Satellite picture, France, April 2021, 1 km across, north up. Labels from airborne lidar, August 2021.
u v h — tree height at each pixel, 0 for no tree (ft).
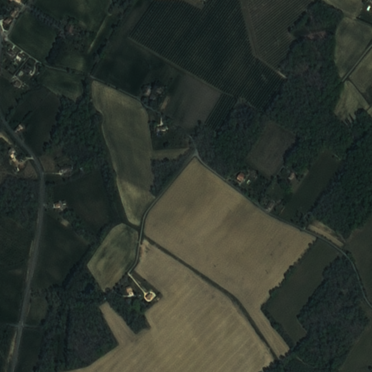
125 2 58
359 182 64
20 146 0
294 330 0
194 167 0
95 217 0
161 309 0
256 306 0
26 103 0
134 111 0
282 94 57
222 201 0
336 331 65
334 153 71
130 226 0
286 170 20
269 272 0
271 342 0
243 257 0
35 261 0
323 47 59
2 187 43
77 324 80
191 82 0
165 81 0
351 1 0
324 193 44
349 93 0
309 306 41
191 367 0
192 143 40
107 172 55
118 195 0
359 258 0
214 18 18
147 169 0
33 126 0
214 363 0
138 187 0
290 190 60
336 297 66
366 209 69
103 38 0
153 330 0
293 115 67
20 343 0
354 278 45
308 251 28
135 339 0
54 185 50
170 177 55
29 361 0
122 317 73
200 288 0
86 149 70
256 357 0
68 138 66
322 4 60
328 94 48
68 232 0
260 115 66
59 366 96
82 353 60
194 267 0
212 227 0
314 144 81
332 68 69
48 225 0
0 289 0
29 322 0
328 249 0
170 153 0
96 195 0
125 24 0
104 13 0
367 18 0
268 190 49
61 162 0
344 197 67
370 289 0
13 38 0
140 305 75
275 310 0
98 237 37
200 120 0
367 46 0
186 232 0
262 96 19
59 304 76
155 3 18
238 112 39
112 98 0
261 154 0
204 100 0
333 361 36
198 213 0
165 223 0
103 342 56
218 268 0
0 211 40
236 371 0
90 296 81
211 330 0
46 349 51
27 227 61
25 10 0
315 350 67
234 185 22
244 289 0
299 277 0
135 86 0
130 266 0
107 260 0
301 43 66
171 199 0
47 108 0
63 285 0
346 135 90
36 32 0
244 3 0
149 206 0
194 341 0
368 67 0
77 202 0
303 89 57
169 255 0
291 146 0
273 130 0
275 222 0
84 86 20
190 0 0
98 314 61
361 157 95
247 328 0
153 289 0
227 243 0
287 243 0
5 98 0
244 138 73
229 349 0
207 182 0
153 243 0
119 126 0
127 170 0
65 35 33
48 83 0
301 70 62
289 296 0
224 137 69
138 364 0
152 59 0
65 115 75
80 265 45
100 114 31
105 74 0
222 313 0
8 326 23
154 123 34
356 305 36
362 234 0
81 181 0
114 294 54
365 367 0
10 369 0
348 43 0
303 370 31
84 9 0
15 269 0
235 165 56
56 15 0
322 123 79
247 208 0
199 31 20
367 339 0
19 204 58
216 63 18
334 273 50
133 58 0
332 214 63
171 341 0
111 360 0
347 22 0
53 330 65
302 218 24
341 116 0
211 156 47
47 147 53
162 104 0
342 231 53
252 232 0
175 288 0
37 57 0
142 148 0
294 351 48
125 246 0
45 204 0
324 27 62
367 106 0
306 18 51
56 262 0
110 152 0
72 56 0
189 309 0
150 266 0
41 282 0
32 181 41
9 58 0
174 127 42
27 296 0
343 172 48
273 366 49
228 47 18
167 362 0
